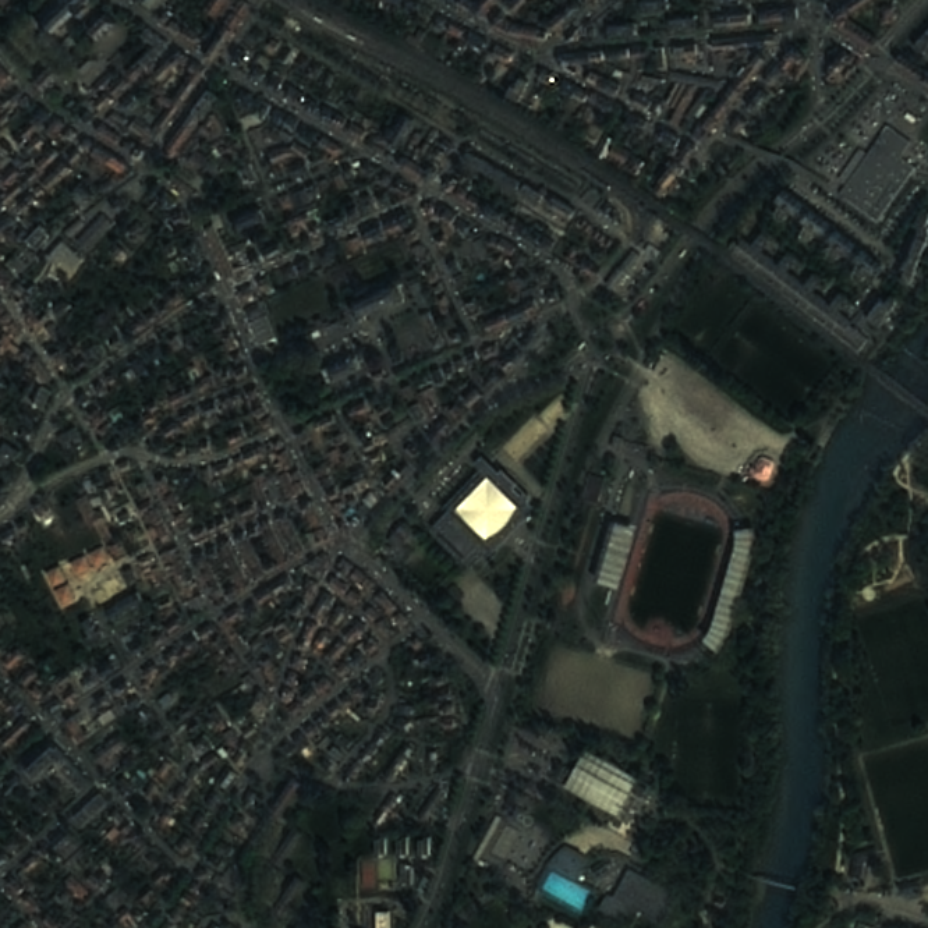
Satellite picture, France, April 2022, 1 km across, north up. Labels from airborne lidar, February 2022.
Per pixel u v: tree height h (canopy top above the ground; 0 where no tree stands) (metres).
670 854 18
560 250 0
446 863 0
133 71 0
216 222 0
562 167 0
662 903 0
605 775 0
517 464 0
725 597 0
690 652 0
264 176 0
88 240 0
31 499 0
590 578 0
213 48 0
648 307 7
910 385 0
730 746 0
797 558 0
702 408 0
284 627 0
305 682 15
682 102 0
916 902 0
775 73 0
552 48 0
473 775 0
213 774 7
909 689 0
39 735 14
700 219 0
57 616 7
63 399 0
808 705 0
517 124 0
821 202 0
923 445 25
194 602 0
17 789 15
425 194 0
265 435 0
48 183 0
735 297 0
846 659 27
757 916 0
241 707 9
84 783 0
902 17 0
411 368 11
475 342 0
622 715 0
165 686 7
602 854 13
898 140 0
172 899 14
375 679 0
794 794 0
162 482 0
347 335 0
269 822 25
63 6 0
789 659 0
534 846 0
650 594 0
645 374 0
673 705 0
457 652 0
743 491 0
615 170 6
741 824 7
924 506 12
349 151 0
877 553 10
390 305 0
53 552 0
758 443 0
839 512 0
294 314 0
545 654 0
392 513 13
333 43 0
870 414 0
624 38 10
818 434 0
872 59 0
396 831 18
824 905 17
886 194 0
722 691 0
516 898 14
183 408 0
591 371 0
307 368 26
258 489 0
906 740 0
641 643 0
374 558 0
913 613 0
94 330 17
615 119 10
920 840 0
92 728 0
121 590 0
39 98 0
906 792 0
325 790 16
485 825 10
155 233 9
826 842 14
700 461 0
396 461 0
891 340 12
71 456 13
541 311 0
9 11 8
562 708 0
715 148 0
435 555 17
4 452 0
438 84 0
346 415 11
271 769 0
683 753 0
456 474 0
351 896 0
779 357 0
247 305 0
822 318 0
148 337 7
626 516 0
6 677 0
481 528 0
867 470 0
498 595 7
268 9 0
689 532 0
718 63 0
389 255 0
